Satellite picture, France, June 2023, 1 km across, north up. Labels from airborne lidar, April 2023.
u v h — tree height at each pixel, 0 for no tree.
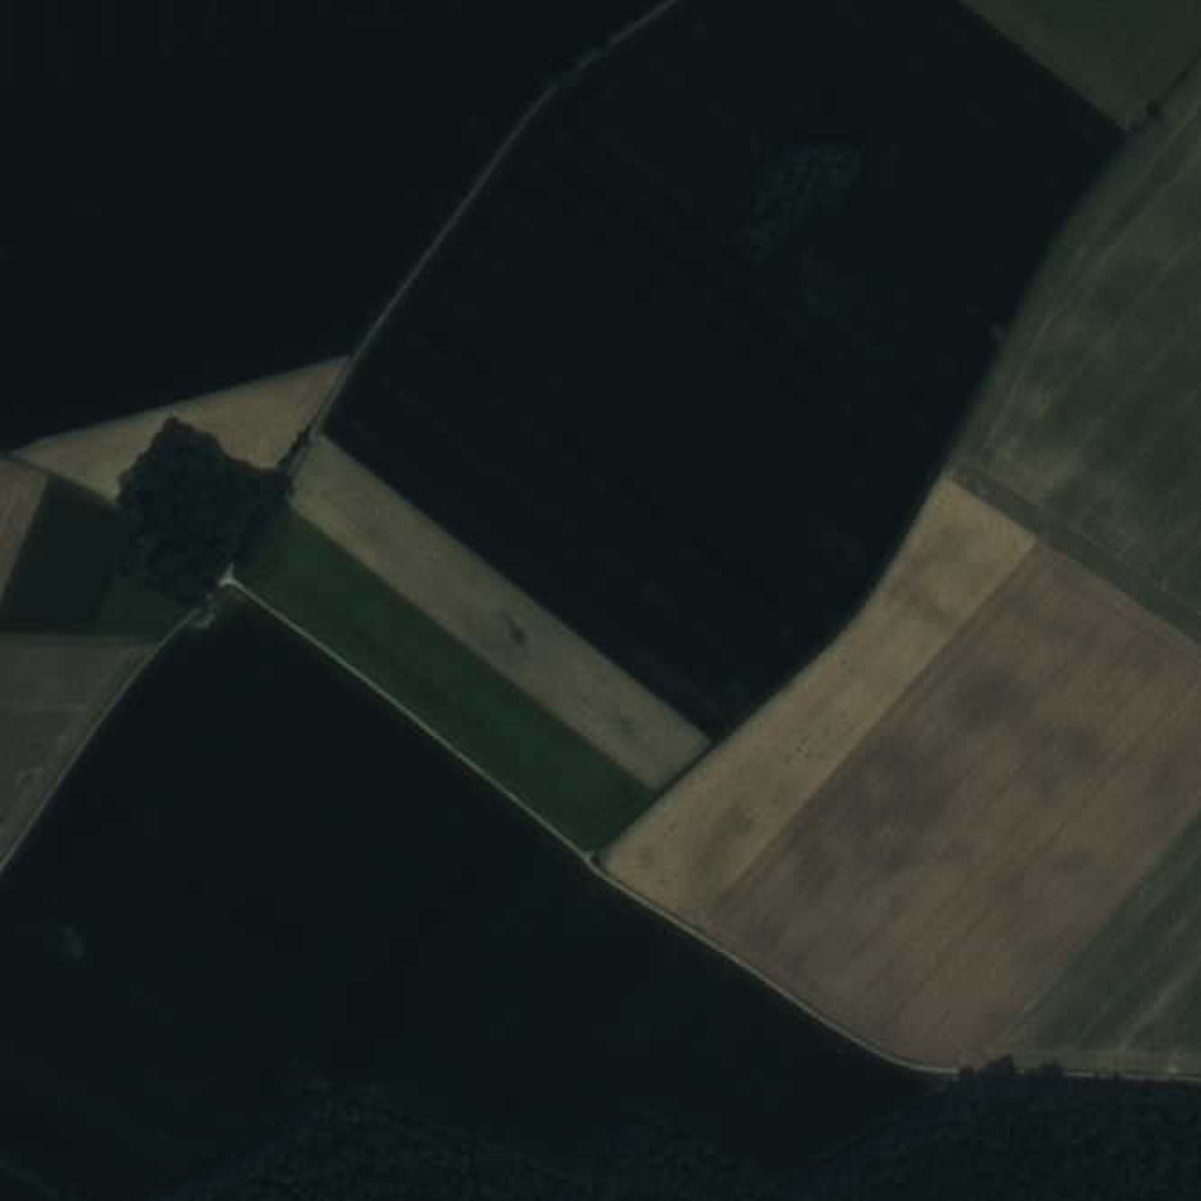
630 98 0
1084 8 0
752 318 0
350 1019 0
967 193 0
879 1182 26
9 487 0
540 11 0
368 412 0
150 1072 0
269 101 0
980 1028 0
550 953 0
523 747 0
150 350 0
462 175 0
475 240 0
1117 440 0
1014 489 0
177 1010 0
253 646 0
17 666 0
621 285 0
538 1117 0
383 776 0
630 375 0
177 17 0
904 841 0
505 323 0
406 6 0
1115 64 0
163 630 0
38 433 0
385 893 0
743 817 0
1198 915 0
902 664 0
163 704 0
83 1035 0
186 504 21
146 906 0
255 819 0
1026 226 0
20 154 0
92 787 0
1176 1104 20
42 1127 0
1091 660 0
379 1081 0
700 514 0
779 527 0
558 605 0
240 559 20
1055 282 0
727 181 0
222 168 0
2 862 0
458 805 0
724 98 0
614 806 0
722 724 0
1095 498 0
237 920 0
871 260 0
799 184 24
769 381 0
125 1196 0
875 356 0
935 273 0
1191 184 0
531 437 0
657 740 0
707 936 0
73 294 0
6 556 0
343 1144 22
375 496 0
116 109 0
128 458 0
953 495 0
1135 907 0
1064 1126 22
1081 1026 0
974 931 0
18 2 0
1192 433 0
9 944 0
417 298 0
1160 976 0
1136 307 0
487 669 0
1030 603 0
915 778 0
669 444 0
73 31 0
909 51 0
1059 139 0
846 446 0
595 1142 0
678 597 0
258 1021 0
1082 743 0
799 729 0
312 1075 0
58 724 0
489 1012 0
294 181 0
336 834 0
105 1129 0
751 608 0
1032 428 0
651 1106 0
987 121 0
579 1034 0
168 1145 0
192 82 0
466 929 0
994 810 0
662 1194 25
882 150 0
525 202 0
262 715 0
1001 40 0
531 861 0
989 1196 24
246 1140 0
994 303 0
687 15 0
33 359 0
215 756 0
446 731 0
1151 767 0
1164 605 0
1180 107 0
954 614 0
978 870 0
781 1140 0
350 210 0
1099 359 0
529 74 0
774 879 0
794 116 0
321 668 0
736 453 0
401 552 0
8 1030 0
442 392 0
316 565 0
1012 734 0
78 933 0
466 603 0
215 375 0
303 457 0
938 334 0
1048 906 0
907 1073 0
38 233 0
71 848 0
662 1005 0
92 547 0
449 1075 0
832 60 0
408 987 0
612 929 0
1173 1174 25
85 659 0
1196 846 0
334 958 0
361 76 0
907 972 0
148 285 0
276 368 0
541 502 0
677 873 0
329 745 0
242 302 0
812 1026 0
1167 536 0
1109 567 0
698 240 0
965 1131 25
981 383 0
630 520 0
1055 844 0
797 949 0
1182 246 0
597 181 0
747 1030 0
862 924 0
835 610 0
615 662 0
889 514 0
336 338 0
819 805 0
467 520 0
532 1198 22
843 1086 0
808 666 0
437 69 0
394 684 0
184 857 0
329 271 0
